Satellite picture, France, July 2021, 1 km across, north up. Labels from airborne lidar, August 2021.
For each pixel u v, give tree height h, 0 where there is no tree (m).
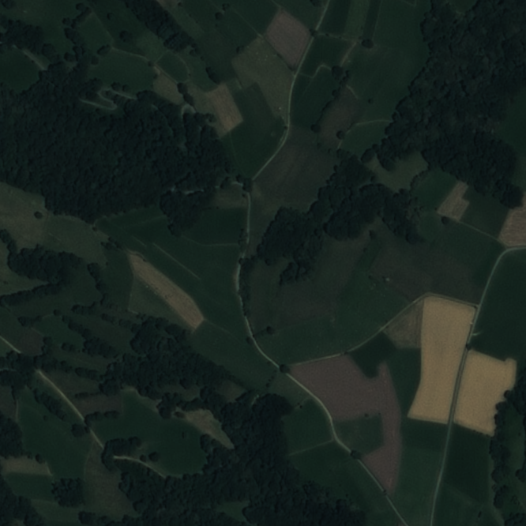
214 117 17
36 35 25
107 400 0
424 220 0
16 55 0
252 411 24
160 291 0
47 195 20
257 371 0
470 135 28
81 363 0
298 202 0
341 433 0
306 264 25
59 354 0
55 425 0
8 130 17
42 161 22
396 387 0
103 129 22
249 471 28
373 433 0
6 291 0
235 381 9
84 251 0
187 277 0
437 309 0
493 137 15
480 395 0
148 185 20
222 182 14
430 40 23
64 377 0
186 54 0
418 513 0
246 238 19
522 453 0
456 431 0
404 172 0
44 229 0
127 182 23
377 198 27
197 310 0
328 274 0
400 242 0
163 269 0
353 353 0
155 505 22
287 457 21
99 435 0
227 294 0
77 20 12
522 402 24
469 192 0
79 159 21
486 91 26
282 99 0
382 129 0
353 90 0
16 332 0
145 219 0
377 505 0
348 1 0
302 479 15
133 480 21
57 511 0
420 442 0
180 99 0
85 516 21
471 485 0
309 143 0
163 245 0
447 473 0
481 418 0
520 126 0
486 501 0
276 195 0
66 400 0
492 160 19
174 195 26
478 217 0
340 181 26
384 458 0
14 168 15
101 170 27
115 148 29
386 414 0
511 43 26
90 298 0
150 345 22
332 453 0
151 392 26
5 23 21
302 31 0
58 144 19
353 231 26
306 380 0
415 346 0
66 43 0
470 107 30
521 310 0
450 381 0
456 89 30
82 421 0
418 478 0
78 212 12
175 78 0
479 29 30
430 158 24
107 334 0
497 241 0
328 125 0
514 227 0
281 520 26
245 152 0
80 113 28
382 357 0
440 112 32
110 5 0
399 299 0
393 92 0
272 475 24
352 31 0
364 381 0
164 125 21
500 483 19
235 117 0
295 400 0
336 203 20
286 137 0
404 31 0
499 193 12
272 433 24
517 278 0
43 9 0
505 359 0
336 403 0
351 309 0
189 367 26
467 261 0
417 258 0
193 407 22
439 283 0
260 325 0
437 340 0
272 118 0
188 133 18
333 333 0
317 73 0
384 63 0
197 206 16
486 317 0
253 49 0
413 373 0
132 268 0
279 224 21
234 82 0
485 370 0
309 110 0
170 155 28
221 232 0
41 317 7
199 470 0
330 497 25
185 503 18
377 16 0
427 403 0
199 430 0
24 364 27
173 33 12
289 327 0
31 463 0
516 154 17
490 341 0
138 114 30
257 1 0
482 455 0
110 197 19
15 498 18
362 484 0
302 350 0
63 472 0
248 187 14
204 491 18
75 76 25
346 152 16
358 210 25
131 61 0
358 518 28
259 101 0
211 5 0
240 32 0
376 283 0
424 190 0
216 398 23
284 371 19
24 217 0
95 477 0
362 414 0
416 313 0
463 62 29
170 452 0
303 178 0
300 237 33
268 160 0
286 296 0
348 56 0
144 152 30
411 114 27
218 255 0
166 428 0
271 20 0
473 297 0
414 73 0
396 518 0
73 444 0
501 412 14
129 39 24
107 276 0
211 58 0
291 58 0
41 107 25
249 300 17
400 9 0
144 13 18
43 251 18
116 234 0
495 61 20
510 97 19
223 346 0
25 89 0
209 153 18
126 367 16
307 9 0
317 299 0
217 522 24
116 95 7
